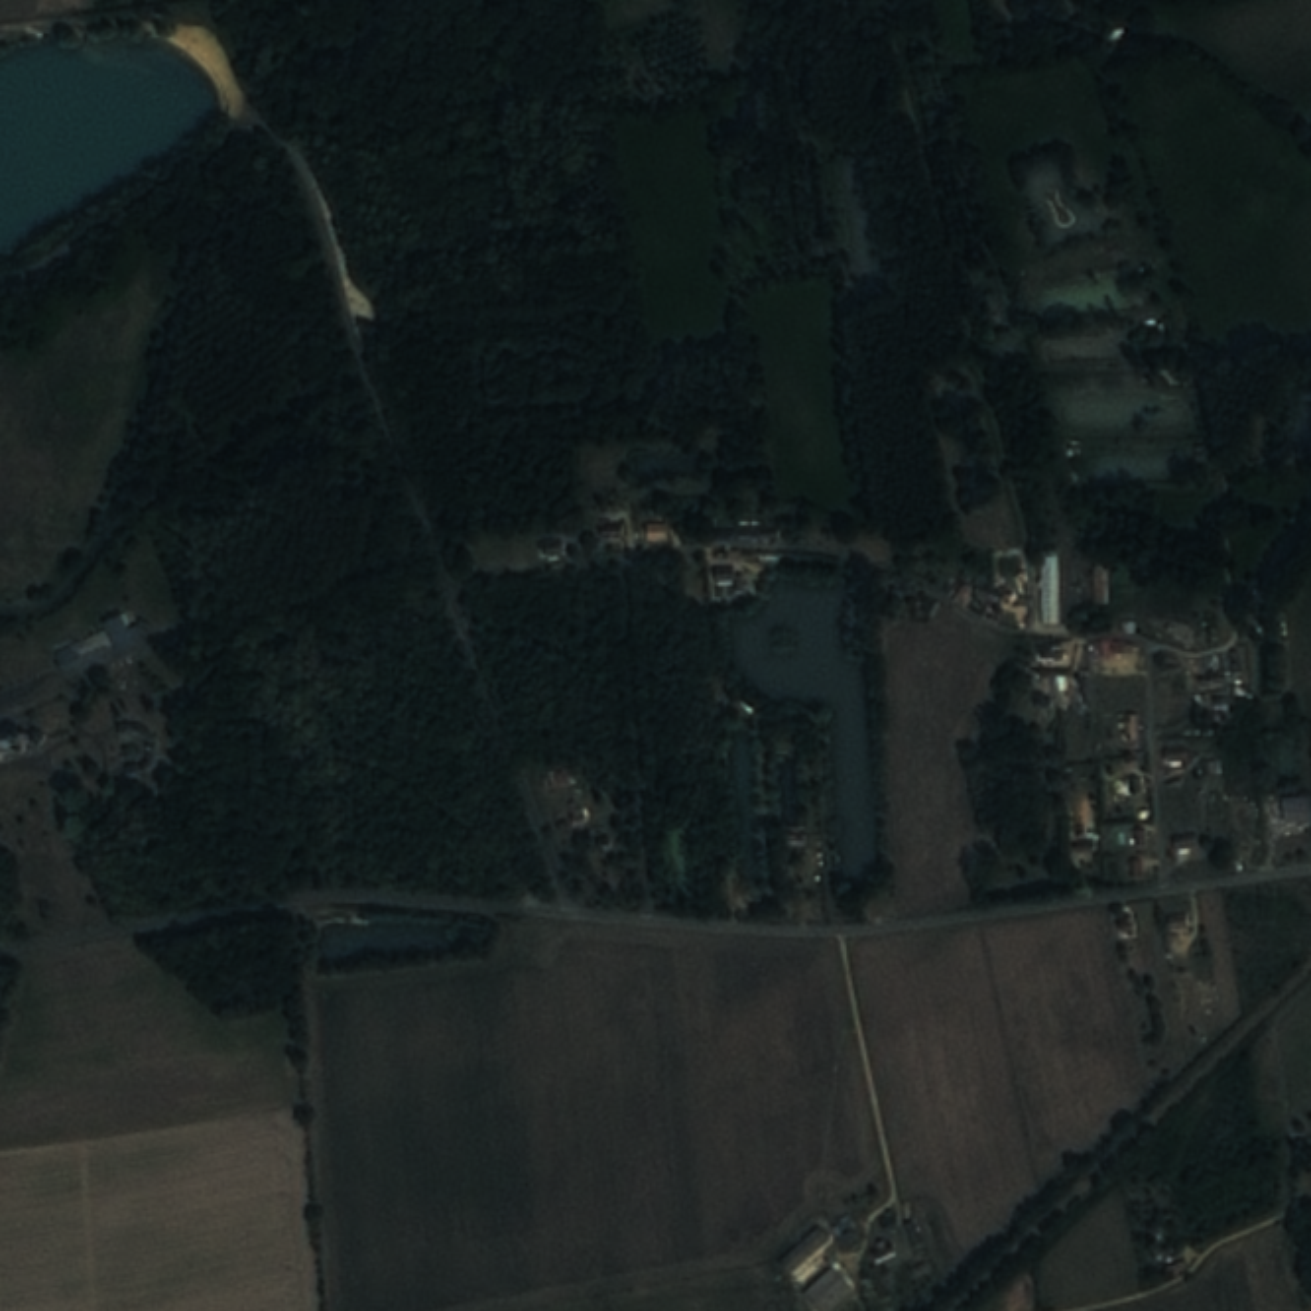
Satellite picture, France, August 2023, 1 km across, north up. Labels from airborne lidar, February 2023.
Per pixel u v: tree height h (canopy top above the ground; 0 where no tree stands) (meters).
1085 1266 0
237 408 28
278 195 14
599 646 18
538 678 17
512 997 0
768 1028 0
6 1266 0
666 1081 0
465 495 18
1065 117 0
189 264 18
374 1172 0
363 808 19
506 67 29
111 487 8
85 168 0
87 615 0
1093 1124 0
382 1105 0
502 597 6
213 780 23
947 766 0
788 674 0
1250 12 0
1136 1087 0
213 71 0
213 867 19
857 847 0
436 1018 0
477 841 17
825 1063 0
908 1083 0
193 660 25
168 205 15
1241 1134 7
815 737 13
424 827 16
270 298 28
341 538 37
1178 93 0
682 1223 0
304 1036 13
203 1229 0
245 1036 0
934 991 0
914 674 0
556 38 28
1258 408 38
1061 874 17
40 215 0
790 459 0
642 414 18
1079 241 8
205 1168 0
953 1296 8
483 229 12
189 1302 0
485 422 12
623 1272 0
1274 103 9
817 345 0
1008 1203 0
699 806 17
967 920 0
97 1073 0
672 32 7
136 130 0
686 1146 0
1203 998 0
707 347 9
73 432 0
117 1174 0
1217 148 0
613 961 0
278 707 15
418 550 22
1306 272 0
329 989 0
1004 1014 0
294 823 29
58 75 0
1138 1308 0
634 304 21
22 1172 0
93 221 10
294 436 9
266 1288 0
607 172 24
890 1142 0
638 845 15
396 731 20
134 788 17
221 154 15
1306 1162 12
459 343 8
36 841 0
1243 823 0
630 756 14
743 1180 0
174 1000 0
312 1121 12
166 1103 0
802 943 0
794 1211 0
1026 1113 0
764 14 21
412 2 29
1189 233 0
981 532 0
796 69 17
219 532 31
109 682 19
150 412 13
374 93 23
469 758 18
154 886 18
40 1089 0
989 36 20
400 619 13
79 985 0
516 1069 0
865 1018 0
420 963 11
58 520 0
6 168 0
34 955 0
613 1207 0
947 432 15
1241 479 11
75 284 18
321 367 13
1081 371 0
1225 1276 0
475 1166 0
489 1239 0
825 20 27
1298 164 0
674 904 13
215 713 27
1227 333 0
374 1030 0
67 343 0
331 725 15
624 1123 0
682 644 20
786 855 17
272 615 26
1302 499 0
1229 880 0
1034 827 20
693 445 17
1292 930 0
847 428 18
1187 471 16
